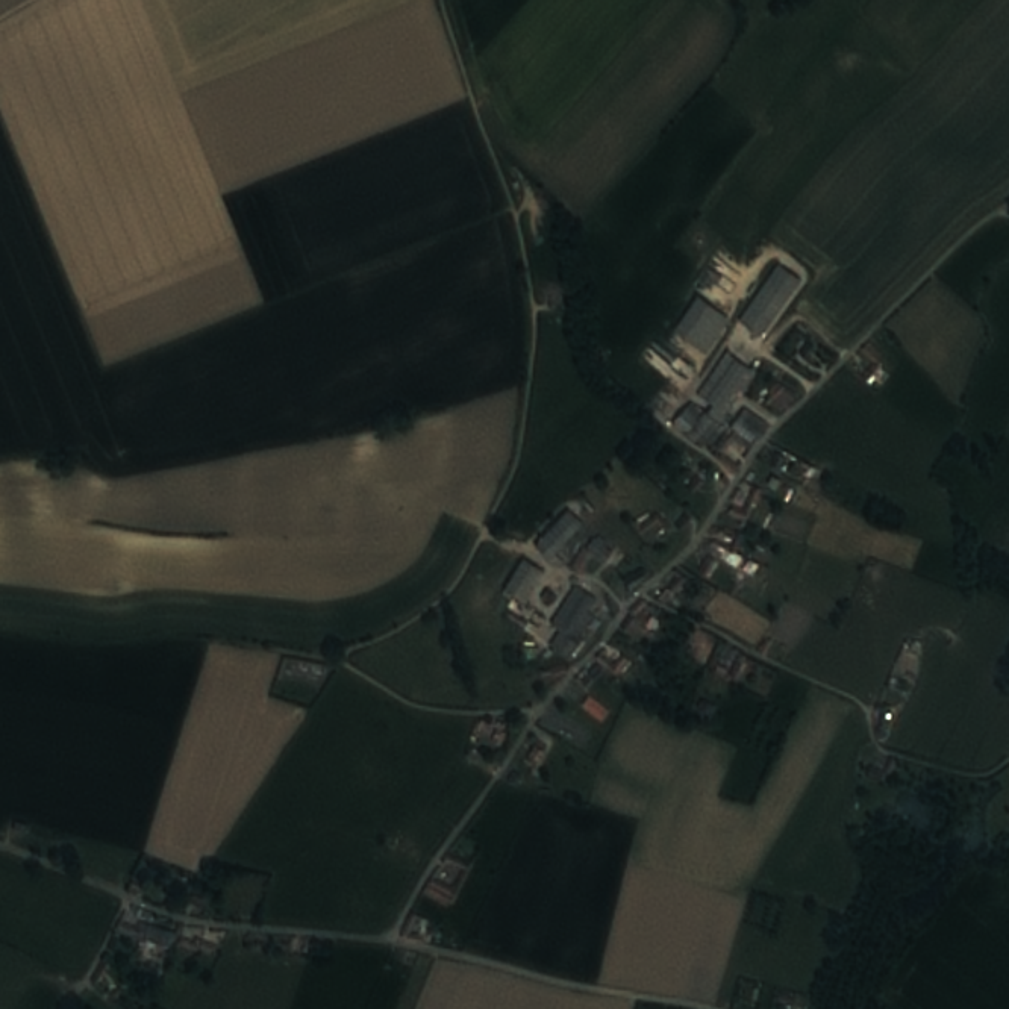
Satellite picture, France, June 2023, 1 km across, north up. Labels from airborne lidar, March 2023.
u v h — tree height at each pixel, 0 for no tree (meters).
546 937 0
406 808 0
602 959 0
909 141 0
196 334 0
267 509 0
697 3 0
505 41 0
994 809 0
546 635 0
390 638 0
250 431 0
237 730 0
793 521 0
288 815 0
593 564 0
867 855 11
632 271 0
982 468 32
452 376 0
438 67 0
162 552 0
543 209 0
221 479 0
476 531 0
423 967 0
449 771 0
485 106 0
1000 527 0
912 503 0
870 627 0
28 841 0
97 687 0
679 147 0
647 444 30
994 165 0
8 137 0
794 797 0
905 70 0
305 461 0
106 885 0
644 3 0
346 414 0
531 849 0
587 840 0
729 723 0
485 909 0
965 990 0
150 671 0
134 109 0
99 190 0
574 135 0
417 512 0
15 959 0
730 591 0
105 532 0
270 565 0
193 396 0
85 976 0
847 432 0
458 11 0
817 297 0
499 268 0
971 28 0
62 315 0
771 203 0
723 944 0
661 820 0
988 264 0
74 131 0
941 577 0
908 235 0
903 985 0
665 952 0
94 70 0
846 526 0
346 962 0
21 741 0
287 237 0
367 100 0
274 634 0
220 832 0
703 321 0
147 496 0
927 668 0
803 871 0
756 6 0
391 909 0
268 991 0
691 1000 0
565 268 16
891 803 0
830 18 0
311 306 0
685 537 0
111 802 0
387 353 0
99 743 0
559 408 0
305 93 0
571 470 0
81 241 0
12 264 0
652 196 0
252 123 0
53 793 0
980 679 0
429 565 0
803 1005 0
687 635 7
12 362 0
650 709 15
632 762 0
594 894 0
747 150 0
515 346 0
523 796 0
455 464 0
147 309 0
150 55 0
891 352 0
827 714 0
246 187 0
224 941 0
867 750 0
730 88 0
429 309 0
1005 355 0
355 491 0
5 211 0
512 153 0
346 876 0
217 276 0
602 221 0
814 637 0
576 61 0
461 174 0
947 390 0
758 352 0
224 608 0
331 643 17
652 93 0
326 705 0
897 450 0
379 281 0
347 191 0
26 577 0
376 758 0
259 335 0
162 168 0
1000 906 0
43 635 0
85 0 0
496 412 0
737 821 0
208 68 0
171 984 0
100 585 0
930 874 8
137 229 0
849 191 0
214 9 0
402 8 0
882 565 0
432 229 0
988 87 0
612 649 0
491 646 0
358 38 0
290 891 0
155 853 0
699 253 0
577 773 0
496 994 0
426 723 0
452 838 0
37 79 0
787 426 0
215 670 0
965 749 0
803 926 0
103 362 0
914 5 0
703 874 0
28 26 0
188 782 0
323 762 0
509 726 13
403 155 0
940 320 0
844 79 0
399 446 0
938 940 0
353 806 0
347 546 0
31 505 0
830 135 0
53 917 0
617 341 0
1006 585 17
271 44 0
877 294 0
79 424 0
